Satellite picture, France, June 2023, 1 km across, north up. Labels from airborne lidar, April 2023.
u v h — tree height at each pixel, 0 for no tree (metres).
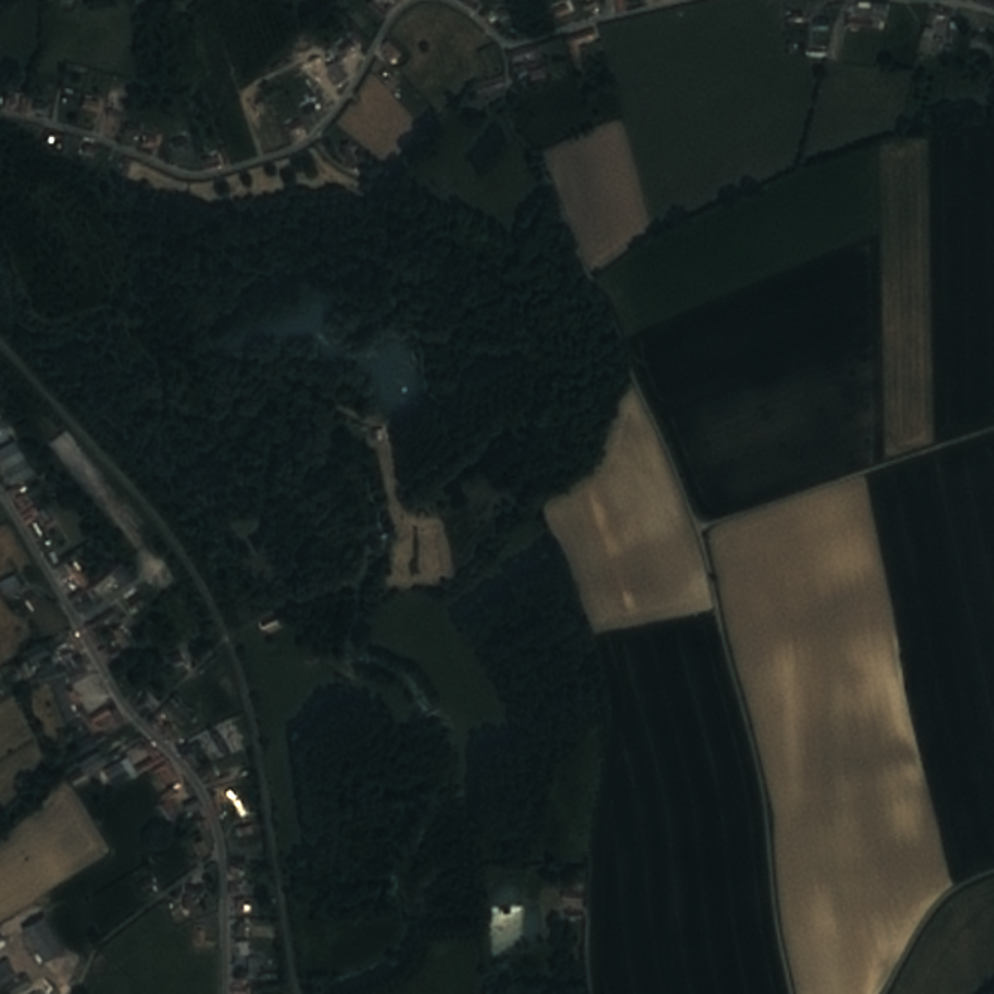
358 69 0
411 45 0
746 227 0
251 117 0
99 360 18
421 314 9
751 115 0
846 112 0
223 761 0
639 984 0
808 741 0
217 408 20
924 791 0
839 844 0
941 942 0
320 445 15
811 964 0
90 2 7
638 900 0
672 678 0
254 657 0
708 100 0
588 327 20
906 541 0
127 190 23
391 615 0
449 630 0
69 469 0
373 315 8
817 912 0
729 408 0
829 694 0
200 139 7
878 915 0
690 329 0
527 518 8
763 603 0
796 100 0
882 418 0
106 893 0
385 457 0
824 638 0
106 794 9
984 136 0
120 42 0
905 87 0
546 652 36
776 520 0
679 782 0
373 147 0
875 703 0
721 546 0
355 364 11
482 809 36
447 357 10
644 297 0
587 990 7
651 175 0
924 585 0
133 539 0
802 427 0
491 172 0
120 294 10
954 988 0
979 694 0
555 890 0
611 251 0
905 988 0
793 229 0
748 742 0
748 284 0
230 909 0
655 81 0
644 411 0
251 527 0
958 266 0
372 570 13
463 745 0
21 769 0
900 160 0
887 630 0
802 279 0
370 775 21
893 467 0
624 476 0
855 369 0
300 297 24
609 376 21
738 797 0
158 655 18
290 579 11
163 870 0
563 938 11
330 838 33
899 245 0
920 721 0
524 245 24
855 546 0
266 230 17
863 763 0
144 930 0
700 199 0
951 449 0
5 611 0
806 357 0
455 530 0
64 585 0
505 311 13
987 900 0
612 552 0
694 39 0
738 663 0
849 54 0
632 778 0
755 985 0
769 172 0
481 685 0
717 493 0
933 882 0
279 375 7
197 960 0
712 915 0
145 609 0
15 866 0
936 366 0
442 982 0
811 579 0
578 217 0
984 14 0
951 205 0
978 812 0
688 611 0
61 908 0
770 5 0
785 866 0
